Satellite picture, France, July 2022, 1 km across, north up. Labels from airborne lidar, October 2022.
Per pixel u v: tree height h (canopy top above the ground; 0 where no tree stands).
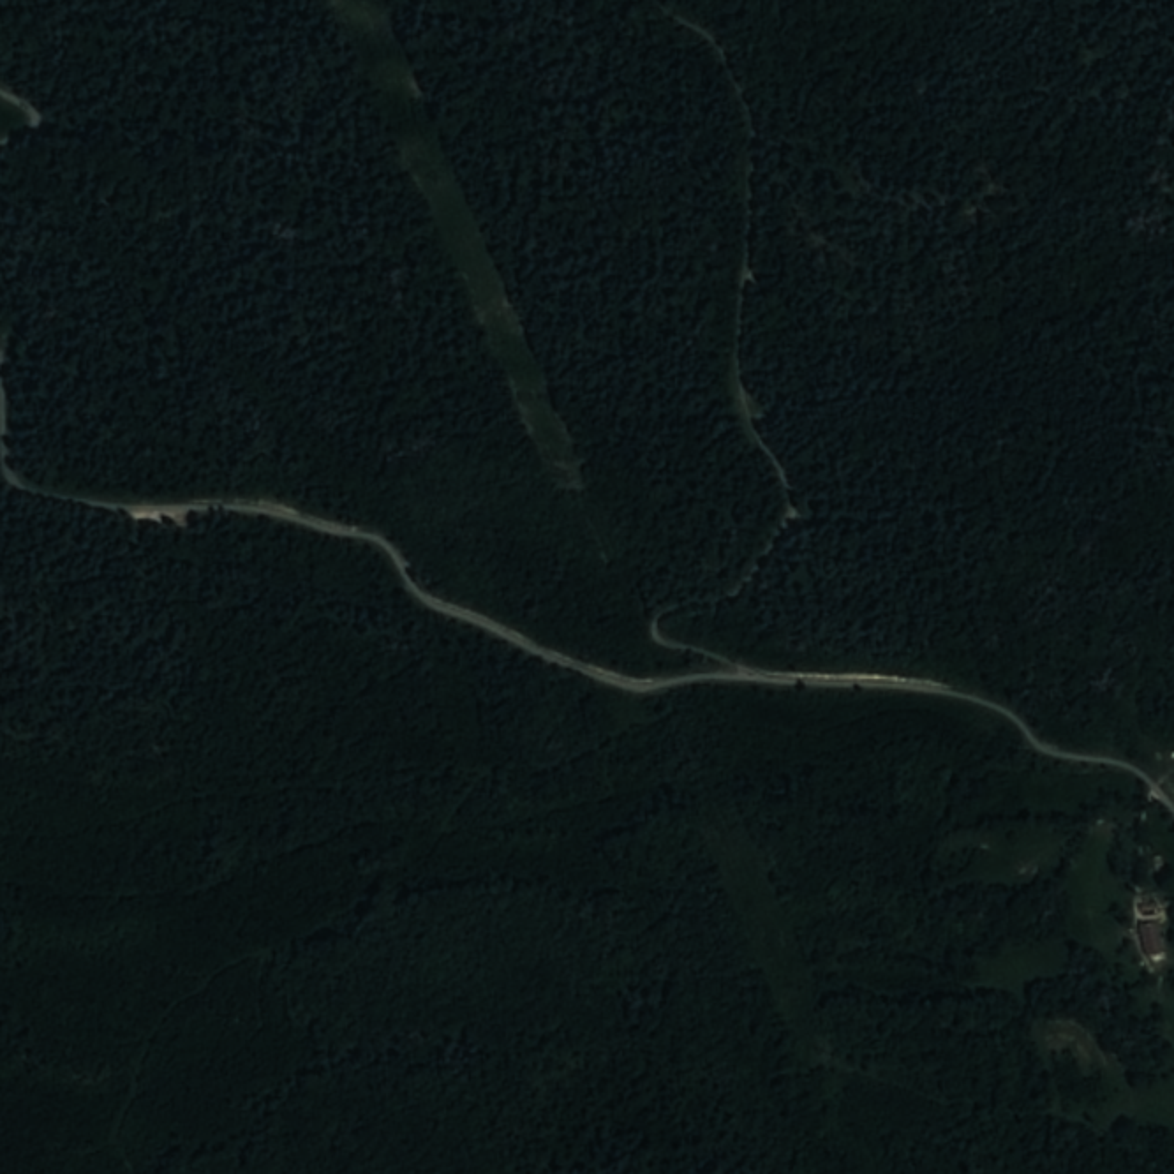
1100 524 17
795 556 24
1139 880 22
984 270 20
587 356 28
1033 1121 9
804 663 6
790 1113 18
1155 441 28
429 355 15
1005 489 9
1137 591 7
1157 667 8
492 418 17
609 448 17
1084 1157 10
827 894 7
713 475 14
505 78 15
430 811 13
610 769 8
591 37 18
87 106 26
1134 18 21
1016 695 23
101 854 12
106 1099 8
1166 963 0
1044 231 20
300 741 11
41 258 6
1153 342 21
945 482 18
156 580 9
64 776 8
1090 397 17
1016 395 19
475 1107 13
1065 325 16
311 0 30
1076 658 9
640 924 13
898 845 10
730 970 12
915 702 5
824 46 15
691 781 11
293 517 0
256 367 25
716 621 9
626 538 6
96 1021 7
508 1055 14
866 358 15
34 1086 8
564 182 7
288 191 20
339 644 9
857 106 20
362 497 10
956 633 16
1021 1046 9
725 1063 13
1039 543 12
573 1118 6
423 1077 15
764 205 18
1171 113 26
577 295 20
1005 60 19
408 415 14
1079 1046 0
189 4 22
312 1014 19
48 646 17
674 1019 14
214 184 20
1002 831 12
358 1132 16
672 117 11
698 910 13
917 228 14
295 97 29
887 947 11
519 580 11
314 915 14
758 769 7
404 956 10
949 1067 14
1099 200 16
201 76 23
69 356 25
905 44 18
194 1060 6
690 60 13
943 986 8
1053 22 19
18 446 23
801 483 20
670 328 9
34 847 13
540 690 9
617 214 22
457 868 10
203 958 9
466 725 8
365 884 10
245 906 11
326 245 24
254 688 12
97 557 22
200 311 25
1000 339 9
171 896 11
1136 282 10
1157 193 24
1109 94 22
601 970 13
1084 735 6
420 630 12
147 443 7
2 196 7
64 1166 8
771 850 9
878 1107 6
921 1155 12
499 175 23
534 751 13
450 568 8
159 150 28
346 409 12
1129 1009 21
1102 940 0
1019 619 12
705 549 20
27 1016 10
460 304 16
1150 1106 0
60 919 10
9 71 7
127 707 19
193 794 8
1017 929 19
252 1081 10
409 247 17
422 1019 18
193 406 14
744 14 16
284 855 11
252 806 14
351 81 15
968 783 21
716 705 7
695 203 10
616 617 10
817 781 19
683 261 14
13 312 11
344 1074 15
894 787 19
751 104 20
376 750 16
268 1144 17
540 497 11
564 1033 11
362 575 14
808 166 7
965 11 17
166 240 11
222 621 9
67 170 23
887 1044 13
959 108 19
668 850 11
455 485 6
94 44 7
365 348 11
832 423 21
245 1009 7
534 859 9
